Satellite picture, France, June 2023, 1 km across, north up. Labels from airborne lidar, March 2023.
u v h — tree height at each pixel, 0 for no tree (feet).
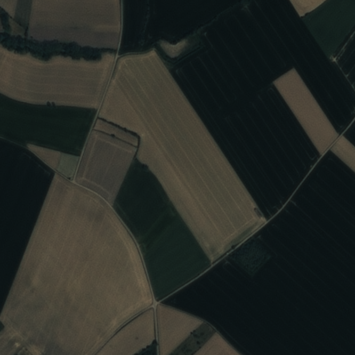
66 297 0
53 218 0
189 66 0
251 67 0
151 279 0
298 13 0
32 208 0
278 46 0
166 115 0
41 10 0
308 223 0
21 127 0
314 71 0
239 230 0
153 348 0
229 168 0
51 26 0
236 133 0
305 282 0
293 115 0
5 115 0
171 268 0
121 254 0
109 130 0
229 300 0
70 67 0
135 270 0
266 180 0
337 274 0
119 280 0
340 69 0
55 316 0
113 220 0
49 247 0
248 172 0
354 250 0
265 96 0
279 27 0
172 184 0
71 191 0
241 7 0
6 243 0
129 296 0
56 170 0
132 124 0
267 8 0
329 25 0
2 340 0
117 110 0
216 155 0
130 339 0
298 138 0
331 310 0
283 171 0
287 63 0
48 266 0
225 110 0
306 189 0
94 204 0
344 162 0
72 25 0
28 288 0
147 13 29
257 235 0
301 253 0
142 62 0
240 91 0
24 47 83
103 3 0
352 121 0
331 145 0
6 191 0
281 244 0
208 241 0
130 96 0
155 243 0
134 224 0
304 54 0
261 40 0
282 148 0
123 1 0
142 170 0
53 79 0
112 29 0
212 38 0
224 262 0
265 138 0
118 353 0
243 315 0
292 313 0
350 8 0
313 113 0
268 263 0
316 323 0
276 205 0
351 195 0
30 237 0
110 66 0
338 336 0
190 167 0
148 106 0
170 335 0
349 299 0
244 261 38
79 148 0
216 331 0
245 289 0
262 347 0
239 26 0
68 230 0
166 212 0
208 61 0
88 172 0
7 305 0
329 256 0
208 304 0
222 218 0
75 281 0
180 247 0
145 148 0
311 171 0
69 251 0
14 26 0
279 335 0
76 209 0
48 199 0
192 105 0
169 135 0
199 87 0
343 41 0
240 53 0
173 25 0
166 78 0
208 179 0
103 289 0
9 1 0
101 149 0
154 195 0
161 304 0
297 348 0
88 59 46
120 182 0
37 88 0
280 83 0
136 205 0
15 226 0
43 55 70
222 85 0
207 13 0
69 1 0
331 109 0
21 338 0
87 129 0
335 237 0
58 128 0
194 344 0
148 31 0
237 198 0
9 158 0
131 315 0
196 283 0
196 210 0
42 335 0
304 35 0
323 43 0
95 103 0
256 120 0
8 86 0
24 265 0
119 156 0
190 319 0
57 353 0
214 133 0
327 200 0
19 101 0
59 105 0
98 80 0
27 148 0
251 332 0
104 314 0
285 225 0
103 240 0
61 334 0
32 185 0
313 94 0
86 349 0
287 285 0
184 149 0
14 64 0
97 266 0
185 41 0
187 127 0
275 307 0
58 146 0
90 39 0
